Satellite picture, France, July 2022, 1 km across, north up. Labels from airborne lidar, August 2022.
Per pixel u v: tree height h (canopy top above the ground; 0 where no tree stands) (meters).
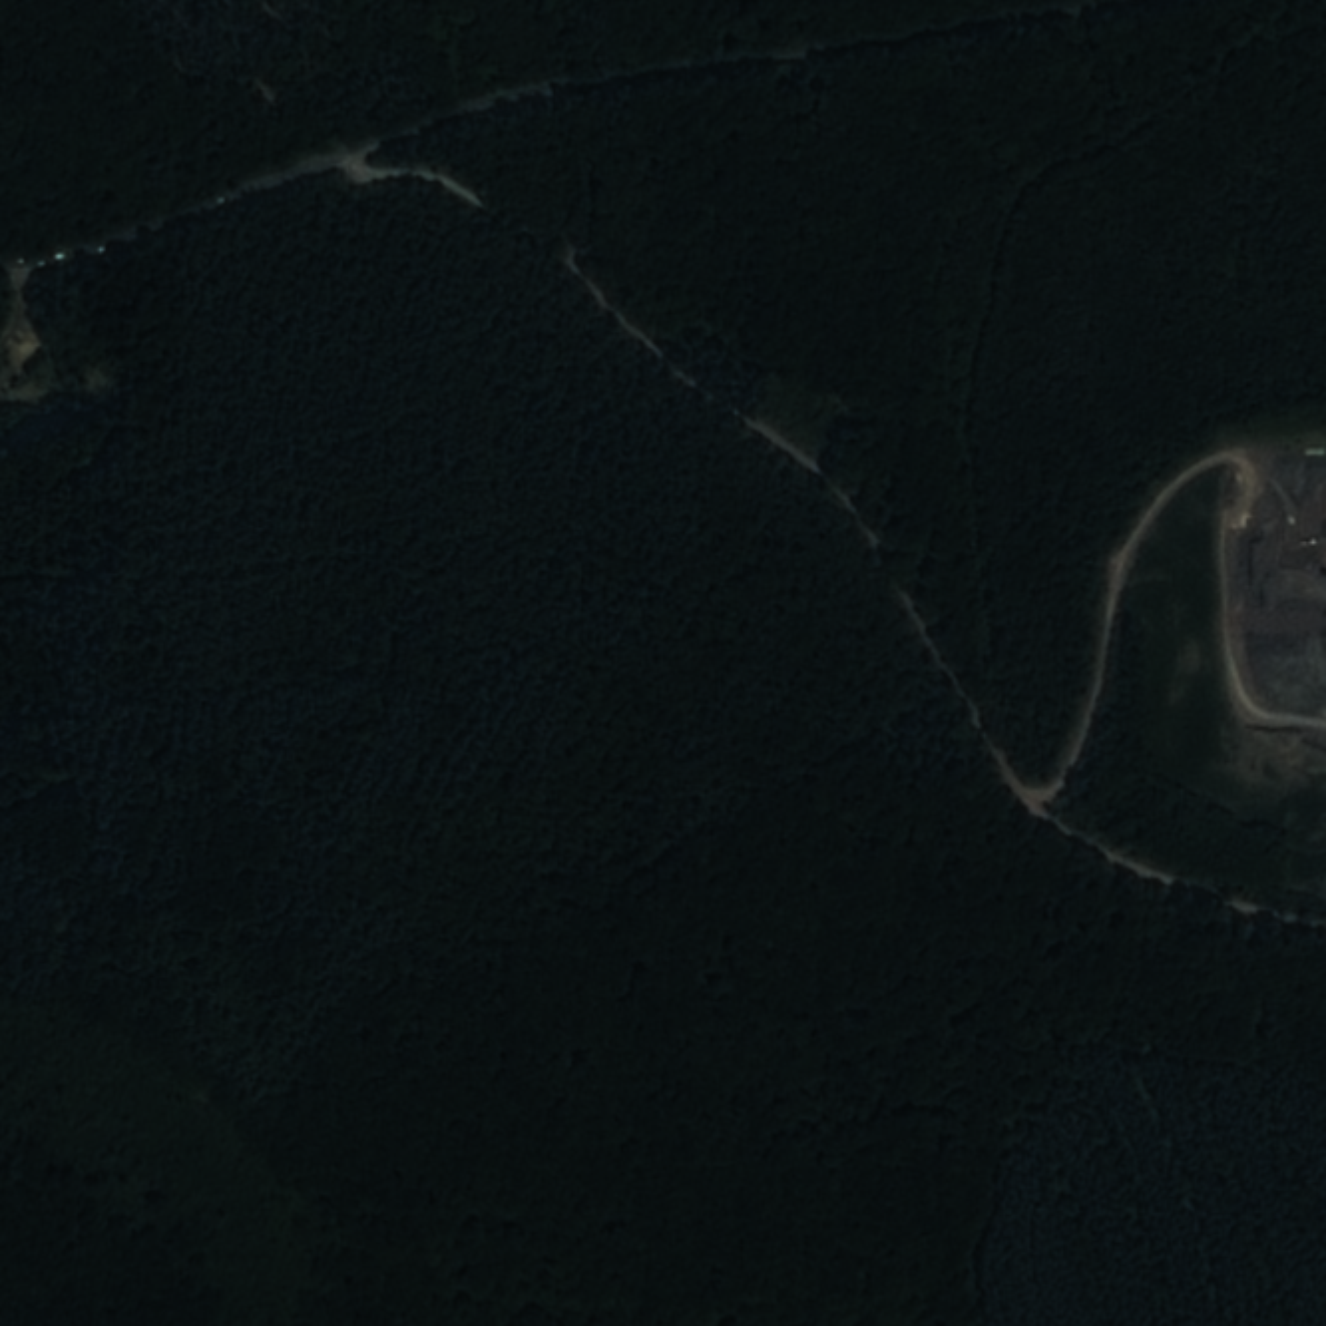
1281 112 14
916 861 23
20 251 19
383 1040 17
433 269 14
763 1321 15
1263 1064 16
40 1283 18
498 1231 21
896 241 24
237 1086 11
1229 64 11
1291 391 12
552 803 13
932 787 22
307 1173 14
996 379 15
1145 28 23
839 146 23
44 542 7
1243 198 16
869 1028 21
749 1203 21
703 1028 23
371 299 14
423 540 13
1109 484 13
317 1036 15
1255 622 0
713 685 14
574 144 19
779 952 23
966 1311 12
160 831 21
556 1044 18
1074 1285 21
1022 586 13
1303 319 13
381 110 20
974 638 19
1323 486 0
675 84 22
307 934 20
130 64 17
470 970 14
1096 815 8
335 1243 15
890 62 22
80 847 19
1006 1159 18
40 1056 8
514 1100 23
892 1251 18
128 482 20
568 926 17
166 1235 11
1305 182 14
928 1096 18
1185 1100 23
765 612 20
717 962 19
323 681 16
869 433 23
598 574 16
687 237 21
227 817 20
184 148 18
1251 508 0
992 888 23
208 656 18
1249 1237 15
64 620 25
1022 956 24
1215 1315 15
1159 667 0
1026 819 23
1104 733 12
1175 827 10
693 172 21
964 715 20
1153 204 16
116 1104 7
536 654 19
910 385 21
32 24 13
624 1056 22
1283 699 0
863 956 23
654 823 17
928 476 22
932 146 23
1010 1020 23
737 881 21
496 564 17
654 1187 21
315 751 15
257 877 21
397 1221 20
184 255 12
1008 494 14
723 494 16
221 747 19
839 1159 21
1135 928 17
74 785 15
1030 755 11
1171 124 15
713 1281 18
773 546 24
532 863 11
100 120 19
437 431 16
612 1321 21
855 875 21
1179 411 15
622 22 22
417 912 12
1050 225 16
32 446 17
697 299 19
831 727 17
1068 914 24
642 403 14
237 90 20
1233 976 21
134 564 13
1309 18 15
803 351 23
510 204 11
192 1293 11
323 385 15
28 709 12
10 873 24
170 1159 8
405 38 19
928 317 22
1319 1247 16
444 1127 20
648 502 20
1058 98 23
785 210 21
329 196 13
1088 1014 23
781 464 13
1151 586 0
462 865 12
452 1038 19
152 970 8
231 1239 7
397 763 19
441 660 20
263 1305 6
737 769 14
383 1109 18
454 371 21
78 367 6
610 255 24
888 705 14
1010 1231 21
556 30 11
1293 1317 18
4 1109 7
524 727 14
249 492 18
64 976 15
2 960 22
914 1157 21
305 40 17
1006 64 24
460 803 10
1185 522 0
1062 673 13
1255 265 13
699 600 11
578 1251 20
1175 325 15
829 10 24
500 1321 19
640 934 22
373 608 14
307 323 23
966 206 19
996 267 14
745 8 22
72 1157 7
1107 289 16
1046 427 17
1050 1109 21
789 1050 22
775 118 22
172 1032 14
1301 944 18
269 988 13
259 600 14
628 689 12
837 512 16
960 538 20
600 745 14
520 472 14
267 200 14
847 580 13
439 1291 13
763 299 27
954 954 21
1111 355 14
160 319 12
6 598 7
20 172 19
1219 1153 15
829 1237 20
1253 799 0
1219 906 19
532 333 18
